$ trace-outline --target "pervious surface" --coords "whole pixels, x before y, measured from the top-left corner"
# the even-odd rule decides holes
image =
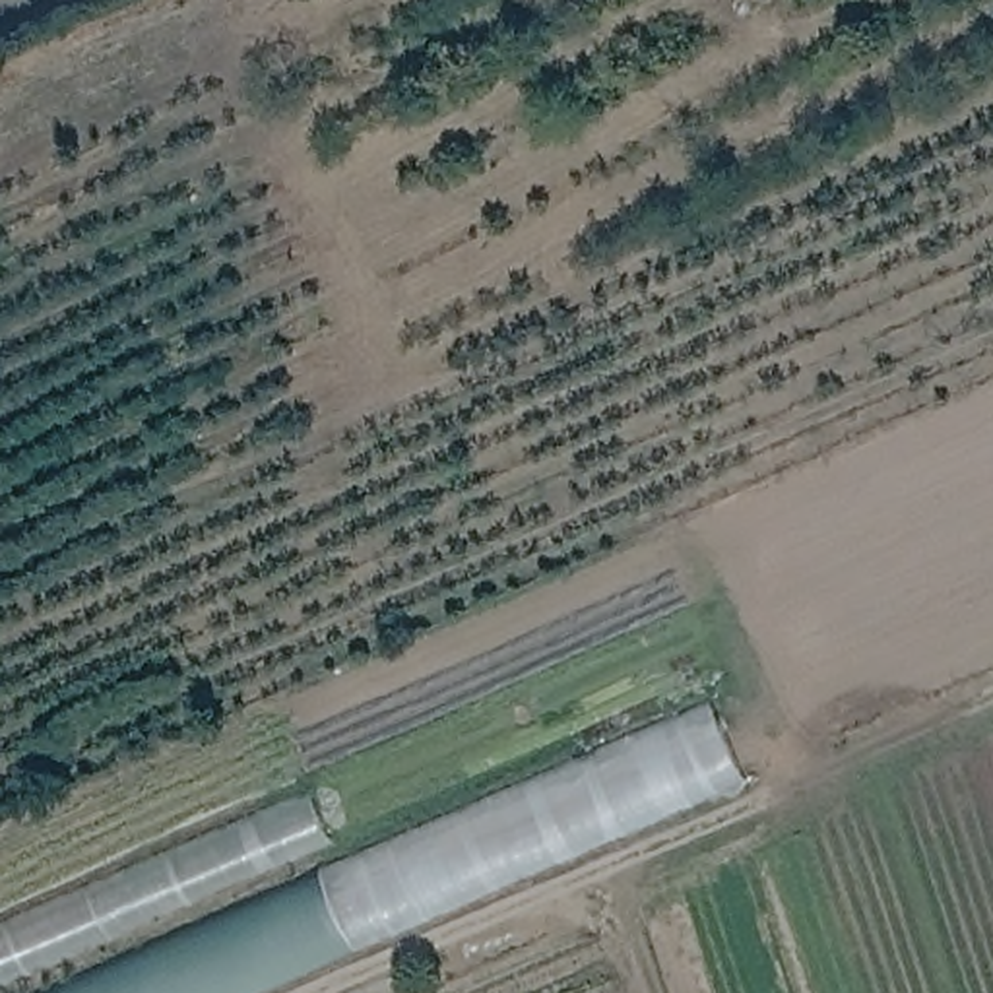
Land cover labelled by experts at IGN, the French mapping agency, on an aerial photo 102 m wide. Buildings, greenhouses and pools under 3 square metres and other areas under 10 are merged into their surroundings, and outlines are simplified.
[[[939,687],[912,687],[912,706],[896,706],[861,729],[838,729],[834,753],[803,753],[803,718],[784,710],[776,690],[760,679],[760,694],[749,706],[749,718],[737,725],[741,756],[760,764],[760,772],[741,776],[741,787],[729,787],[725,795],[702,799],[632,834],[609,838],[570,861],[516,877],[497,892],[431,915],[403,939],[380,939],[349,950],[334,962],[337,970],[291,993],[396,993],[392,962],[407,966],[415,958],[442,958],[450,946],[473,958],[516,943],[512,935],[477,935],[504,919],[562,915],[578,927],[590,912],[586,888],[617,873],[632,873],[652,857],[663,857],[687,842],[753,818],[768,807],[784,807],[791,799],[791,787],[842,780],[857,768],[869,768],[908,749],[912,741],[935,729],[954,729],[966,718],[993,710],[993,663],[954,675]]]

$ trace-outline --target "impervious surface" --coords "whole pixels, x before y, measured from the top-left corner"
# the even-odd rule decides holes
[[[23,23],[50,16],[58,4],[78,0],[0,0],[0,39]]]

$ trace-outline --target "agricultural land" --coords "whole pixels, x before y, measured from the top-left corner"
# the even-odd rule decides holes
[[[233,900],[206,884],[186,896],[194,908],[182,908],[167,896],[163,884],[155,884],[163,904],[155,912],[120,919],[109,931],[116,943],[101,943],[97,935],[66,943],[66,962],[16,977],[16,985],[0,989],[0,993],[35,993],[74,977],[93,962],[112,958],[124,946],[190,923],[206,912],[217,912]]]
[[[741,776],[760,772],[760,764],[741,756],[737,725],[749,718],[749,706],[760,694],[760,679],[776,690],[784,710],[803,718],[803,753],[834,753],[838,729],[861,729],[896,706],[912,706],[912,687],[939,687],[954,675],[993,663],[993,384],[962,400],[946,400],[935,411],[904,419],[888,431],[877,431],[865,442],[834,450],[830,458],[791,469],[768,485],[733,493],[687,524],[659,524],[644,543],[609,551],[601,562],[582,562],[578,570],[555,574],[551,582],[520,590],[508,601],[489,601],[481,613],[462,613],[446,628],[431,628],[419,632],[415,644],[392,659],[361,659],[349,667],[334,667],[330,679],[318,687],[299,687],[291,694],[252,702],[240,714],[225,718],[209,745],[163,741],[147,756],[132,756],[112,772],[74,784],[70,795],[54,803],[47,818],[16,815],[0,822],[0,943],[8,939],[12,923],[31,919],[35,912],[58,900],[93,892],[182,846],[244,826],[279,803],[306,799],[314,791],[322,795],[334,834],[326,838],[326,849],[314,853],[310,869],[318,877],[411,830],[462,815],[500,791],[524,787],[578,760],[593,760],[617,741],[640,737],[656,725],[671,725],[694,710],[710,710],[721,745]]]
[[[652,857],[632,873],[617,873],[586,888],[590,912],[578,927],[562,915],[504,919],[477,935],[512,935],[516,943],[473,958],[450,946],[442,958],[434,993],[993,993],[993,710],[966,718],[954,729],[935,729],[912,741],[908,749],[869,768],[857,768],[842,780],[791,787],[791,799],[784,807],[768,807],[753,818],[687,842],[663,857]]]

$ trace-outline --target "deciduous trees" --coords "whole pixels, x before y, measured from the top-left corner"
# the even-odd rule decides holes
[[[322,578],[345,574],[349,562],[334,559],[287,578],[283,586],[268,590],[268,597],[287,601]]]
[[[671,353],[644,357],[640,365],[605,376],[601,384],[578,388],[566,400],[555,400],[539,411],[528,411],[520,419],[520,431],[578,411],[597,396],[613,396],[644,380],[648,372],[694,361],[714,345],[729,345],[772,322],[772,314],[764,310],[737,318],[721,330],[710,330]]]
[[[613,345],[605,341],[547,372],[535,372],[531,380],[504,384],[500,400],[512,403],[547,392],[574,372],[609,361]]]
[[[368,582],[349,586],[345,593],[334,593],[330,601],[310,601],[303,617],[345,609],[372,590],[400,582],[400,566],[392,566],[372,574]]]
[[[260,314],[272,310],[272,299],[264,295],[240,306],[240,314],[233,318],[209,318],[190,326],[186,345],[244,334]]]
[[[244,450],[256,450],[272,438],[299,438],[310,427],[310,403],[299,400],[260,415],[240,442],[229,442],[229,458],[240,458]]]
[[[427,35],[493,19],[500,8],[497,0],[384,0],[392,8],[392,19],[384,23],[388,43],[372,47],[372,58],[384,70],[392,70],[392,58],[419,47]]]
[[[23,23],[0,39],[0,66],[35,43],[70,35],[78,23],[93,19],[105,8],[101,0],[78,0],[58,4],[50,16]]]
[[[861,244],[877,248],[923,225],[919,213],[904,213],[888,225],[861,233]]]
[[[39,365],[0,376],[0,396],[74,365],[78,357],[89,357],[89,345],[78,341]]]
[[[50,248],[78,240],[97,225],[132,221],[144,209],[186,198],[186,182],[171,182],[136,194],[136,202],[128,206],[89,209],[74,221],[62,221],[43,240],[23,244],[19,260],[47,256]]]
[[[147,275],[116,283],[89,303],[70,306],[54,322],[43,322],[19,337],[0,341],[0,361],[58,337],[62,330],[116,306],[128,295],[140,295],[178,275],[178,264],[159,264]]]
[[[531,310],[512,322],[497,322],[489,334],[458,337],[446,349],[446,365],[462,368],[481,361],[485,349],[497,349],[500,341],[528,341],[528,330],[543,326],[543,314]]]
[[[89,175],[85,190],[120,182],[132,167],[155,163],[155,147],[132,147],[116,155],[112,167]]]
[[[47,818],[54,803],[70,795],[74,784],[112,772],[132,756],[147,756],[163,741],[209,745],[225,718],[221,698],[209,690],[209,679],[198,675],[198,667],[209,667],[221,656],[279,636],[283,621],[260,625],[252,632],[240,632],[182,659],[171,656],[171,648],[186,644],[182,628],[140,648],[105,656],[97,663],[85,663],[81,671],[70,671],[58,683],[19,694],[12,706],[0,706],[0,756],[8,756],[8,764],[19,768],[23,780],[31,780],[23,799],[0,807],[0,822],[16,815]]]
[[[493,528],[450,535],[450,551],[462,555],[477,543],[500,539],[504,531],[547,520],[551,504],[531,504],[512,508],[508,520]]]
[[[287,450],[248,469],[240,477],[244,489],[295,473],[295,454]]]
[[[272,209],[256,225],[237,225],[233,233],[225,233],[221,248],[240,248],[256,237],[275,233],[279,213]]]
[[[423,590],[384,601],[372,617],[376,632],[365,640],[349,640],[349,652],[361,659],[392,659],[415,644],[419,632],[431,628],[427,617],[407,613],[419,601],[454,590],[454,578],[438,578]]]
[[[66,636],[78,625],[97,621],[101,613],[116,613],[136,601],[136,593],[112,593],[66,621],[39,625],[19,640],[0,644],[0,659],[27,652],[47,636]]]
[[[109,438],[85,454],[62,458],[58,465],[35,469],[27,481],[0,493],[0,508],[16,504],[19,497],[31,497],[47,481],[74,477],[78,469],[97,465],[112,454],[132,454],[140,442],[136,434]]]
[[[497,81],[524,85],[547,62],[555,62],[551,43],[593,27],[609,0],[551,0],[543,16],[528,27],[504,31],[493,43],[473,47],[469,62],[403,78],[400,93],[384,97],[365,116],[334,124],[326,136],[310,128],[310,147],[326,167],[337,163],[361,132],[384,124],[423,124],[446,109],[469,105]]]
[[[229,190],[225,198],[178,213],[167,229],[151,229],[151,240],[171,244],[190,225],[209,225],[225,217],[229,209],[237,209],[237,194]]]
[[[512,272],[504,291],[477,291],[477,303],[485,310],[516,303],[531,291],[528,272]]]
[[[384,528],[403,512],[427,504],[434,508],[442,500],[442,489],[419,489],[380,512],[368,512],[337,531],[318,535],[318,547],[345,547],[357,535]]]
[[[721,477],[725,469],[749,462],[749,446],[741,446],[733,454],[687,465],[683,473],[663,477],[659,485],[648,485],[625,500],[593,508],[582,520],[562,524],[562,531],[551,539],[562,543],[601,520],[663,504],[683,489],[694,489],[698,481]]]
[[[745,248],[760,229],[772,225],[772,209],[753,209],[745,221],[733,221],[729,209],[741,198],[787,186],[803,178],[811,167],[838,159],[838,147],[861,147],[869,140],[888,136],[896,116],[939,116],[954,109],[966,93],[977,93],[985,81],[993,81],[993,35],[970,47],[950,66],[915,70],[904,89],[877,101],[865,116],[842,124],[834,140],[807,136],[787,155],[764,159],[760,178],[745,178],[741,171],[698,171],[694,159],[710,151],[718,140],[725,140],[721,120],[753,112],[760,101],[776,101],[784,85],[795,85],[803,101],[842,101],[861,85],[861,78],[884,78],[908,47],[946,43],[950,35],[970,31],[974,19],[993,16],[993,0],[830,0],[834,23],[822,27],[811,43],[787,43],[780,54],[729,78],[714,101],[698,109],[683,105],[675,112],[690,159],[687,178],[652,182],[636,202],[578,233],[570,248],[574,264],[613,264],[617,256],[667,237],[679,252],[679,272],[702,268],[725,248]]]
[[[0,314],[16,318],[23,310],[35,310],[54,299],[50,287],[66,287],[89,275],[85,268],[70,264],[58,272],[43,272],[16,295],[0,295]]]
[[[822,182],[815,194],[803,198],[807,209],[822,213],[842,206],[873,175],[912,171],[919,159],[935,155],[927,140],[915,140],[904,144],[896,159],[869,159],[865,167],[846,171],[842,182]]]
[[[209,454],[190,442],[155,454],[140,469],[116,469],[85,485],[70,500],[47,504],[35,516],[23,516],[19,524],[0,528],[0,625],[19,621],[23,601],[35,601],[35,609],[50,609],[81,590],[101,586],[105,578],[136,570],[155,555],[186,547],[190,539],[206,539],[264,508],[279,508],[291,500],[291,489],[221,508],[198,524],[182,524],[171,535],[163,535],[155,520],[175,512],[171,481],[182,481],[194,469],[209,465]]]
[[[419,458],[396,469],[392,477],[368,481],[361,489],[345,489],[299,516],[252,531],[248,539],[233,539],[209,555],[194,555],[171,570],[159,570],[140,586],[147,593],[159,593],[171,582],[225,566],[240,551],[256,551],[349,504],[407,485],[458,458],[469,458],[469,438],[458,438],[434,458]]]
[[[190,291],[155,303],[140,318],[128,318],[128,330],[151,330],[213,295],[225,295],[233,283],[240,283],[240,272],[225,264]]]
[[[314,85],[337,81],[337,62],[330,54],[314,54],[279,74],[268,62],[244,58],[244,97],[256,105],[260,116],[279,120],[283,112],[295,112],[303,105],[303,97]]]
[[[787,260],[784,268],[764,272],[749,283],[721,287],[721,295],[729,306],[737,306],[807,272],[834,268],[842,264],[842,252],[834,248],[811,252],[807,260]]]
[[[442,140],[427,155],[400,159],[400,186],[442,190],[481,171],[489,132],[477,128],[442,132]]]
[[[109,632],[85,636],[74,648],[47,652],[35,663],[0,675],[0,690],[81,652],[93,652],[97,644],[124,640],[144,625],[171,621],[175,613],[206,605],[229,590],[244,590],[287,562],[299,562],[299,551],[272,555],[237,578],[213,582],[198,593],[178,593],[167,605],[151,605]]]
[[[966,144],[977,167],[993,163],[993,105],[981,109],[974,120],[939,132],[946,151]]]
[[[578,140],[593,116],[621,105],[628,93],[640,93],[671,66],[690,62],[702,47],[721,43],[721,27],[698,23],[694,16],[652,16],[621,23],[605,47],[593,47],[586,54],[590,74],[555,85],[543,97],[524,93],[520,112],[535,147]]]
[[[93,388],[105,376],[116,376],[136,361],[159,357],[163,345],[151,341],[124,349],[109,365],[89,368],[78,380],[50,388],[31,403],[0,415],[0,431]]]
[[[881,275],[888,275],[900,264],[939,256],[954,240],[993,225],[993,213],[981,213],[966,225],[946,225],[915,248],[892,252],[877,264]]]
[[[291,376],[287,368],[272,368],[244,384],[244,392],[237,396],[217,396],[206,407],[182,407],[186,392],[221,384],[229,376],[229,357],[209,357],[202,365],[175,368],[151,384],[124,388],[112,400],[74,415],[70,423],[47,427],[27,442],[0,450],[0,465],[19,462],[58,438],[78,438],[93,423],[120,415],[136,400],[159,400],[163,407],[147,415],[147,431],[163,431],[175,419],[206,427],[260,400],[264,388],[287,388]]]
[[[570,485],[570,497],[597,497],[601,489],[632,481],[663,465],[667,458],[679,458],[683,442],[675,438],[632,458],[628,469],[601,473],[590,485]]]
[[[725,365],[659,384],[644,400],[609,407],[605,415],[539,438],[535,446],[528,446],[528,458],[535,462],[543,454],[570,446],[582,434],[644,415],[702,384],[718,384],[729,372],[741,372],[745,365],[764,361],[768,353],[815,341],[815,326],[803,326]]]
[[[415,958],[407,966],[392,962],[396,993],[434,993],[442,958]]]
[[[419,345],[438,337],[450,322],[462,322],[465,306],[450,303],[431,318],[407,322],[400,341]]]

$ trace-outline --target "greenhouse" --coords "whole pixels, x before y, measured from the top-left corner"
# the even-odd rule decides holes
[[[593,760],[578,760],[524,787],[500,791],[462,815],[411,830],[318,877],[326,919],[349,950],[380,939],[403,939],[431,915],[497,892],[516,877],[570,861],[609,838],[632,834],[702,799],[725,795],[729,787],[741,787],[741,776],[721,745],[710,710],[694,710],[671,725],[656,725],[640,737],[617,741]]]
[[[244,826],[182,846],[93,892],[58,900],[35,912],[31,919],[12,923],[8,939],[0,943],[0,989],[16,985],[16,977],[66,962],[66,943],[97,935],[101,943],[116,943],[109,931],[120,919],[155,912],[163,904],[155,884],[163,884],[167,896],[182,908],[194,908],[186,896],[206,884],[233,900],[244,900],[260,888],[272,888],[310,869],[314,853],[326,849],[326,838],[334,834],[322,795],[314,791],[306,799],[279,803]]]

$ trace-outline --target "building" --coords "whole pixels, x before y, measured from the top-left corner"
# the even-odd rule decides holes
[[[206,912],[190,923],[124,946],[112,958],[93,962],[74,977],[35,993],[291,993],[337,970],[334,962],[349,950],[326,919],[318,877],[310,869],[272,888],[260,888],[244,900],[233,900],[217,912]]]

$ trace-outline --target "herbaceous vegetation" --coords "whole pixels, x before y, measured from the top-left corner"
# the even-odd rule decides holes
[[[977,93],[966,93],[954,109],[939,116],[896,116],[888,136],[869,140],[861,147],[838,147],[838,159],[811,167],[803,178],[787,186],[741,198],[729,209],[733,221],[745,221],[753,209],[772,209],[772,225],[760,229],[745,248],[725,248],[702,268],[679,272],[679,252],[667,237],[617,256],[613,264],[574,264],[570,248],[578,233],[636,202],[652,182],[687,178],[690,159],[675,112],[683,105],[698,109],[714,101],[729,78],[780,54],[787,43],[811,43],[822,27],[834,23],[830,0],[609,0],[593,27],[551,43],[555,62],[547,62],[524,85],[497,81],[469,105],[446,109],[423,124],[384,124],[361,132],[337,163],[326,167],[310,147],[310,128],[326,136],[334,124],[365,116],[384,97],[400,93],[403,78],[469,62],[473,47],[493,43],[504,31],[528,27],[543,16],[551,0],[497,0],[500,8],[493,19],[427,35],[419,47],[392,58],[392,70],[384,70],[372,58],[372,47],[388,43],[384,23],[392,19],[392,8],[384,0],[101,0],[105,8],[93,19],[78,23],[70,35],[35,43],[0,66],[0,295],[16,295],[43,272],[58,272],[70,264],[85,268],[89,275],[66,287],[50,287],[54,299],[35,310],[23,310],[16,318],[0,314],[0,341],[19,337],[43,322],[54,322],[70,306],[89,303],[116,283],[147,275],[159,264],[178,264],[178,275],[140,295],[128,295],[116,306],[62,330],[58,337],[0,361],[0,376],[39,365],[78,341],[89,345],[89,357],[78,357],[74,365],[0,396],[0,415],[31,403],[50,388],[78,380],[89,368],[109,365],[124,349],[151,341],[163,345],[159,357],[136,361],[116,376],[105,376],[93,388],[0,431],[0,450],[27,442],[47,427],[70,423],[74,415],[112,400],[124,388],[151,384],[175,368],[202,365],[209,357],[229,357],[229,376],[221,384],[186,392],[182,407],[206,407],[217,396],[237,396],[244,392],[244,384],[272,368],[287,368],[291,376],[287,388],[264,388],[260,400],[206,427],[175,419],[163,431],[147,431],[147,415],[163,407],[159,400],[136,400],[120,415],[93,423],[78,438],[58,438],[19,462],[0,465],[0,493],[27,481],[35,469],[58,465],[62,458],[85,454],[109,438],[136,434],[140,442],[132,454],[112,454],[97,465],[78,469],[74,477],[47,481],[31,497],[19,497],[16,504],[0,508],[0,528],[19,524],[23,516],[35,516],[47,504],[70,500],[85,485],[116,469],[140,469],[155,454],[190,442],[209,454],[209,465],[194,469],[182,481],[171,481],[175,512],[155,520],[163,535],[171,535],[182,524],[198,524],[221,508],[291,489],[291,500],[279,508],[264,508],[206,539],[190,539],[186,547],[155,555],[136,570],[105,578],[101,586],[81,590],[50,609],[35,609],[35,601],[23,601],[19,621],[0,625],[0,644],[19,640],[39,625],[66,621],[112,593],[136,593],[136,601],[116,613],[101,613],[97,621],[78,625],[66,636],[47,636],[27,652],[0,659],[0,675],[35,663],[47,652],[74,648],[85,636],[109,632],[151,605],[167,605],[178,593],[198,593],[213,582],[237,578],[272,555],[299,551],[299,562],[287,562],[244,590],[229,590],[206,605],[175,613],[171,621],[144,625],[124,640],[97,644],[93,652],[81,652],[0,690],[0,706],[12,706],[19,694],[58,683],[70,671],[81,671],[85,663],[97,663],[105,656],[140,648],[182,628],[186,644],[171,648],[171,656],[182,659],[240,632],[252,632],[260,625],[283,621],[279,636],[221,656],[209,667],[198,667],[198,675],[209,679],[209,690],[221,698],[225,718],[240,714],[252,702],[291,694],[299,687],[318,687],[330,679],[334,667],[349,667],[361,659],[349,652],[349,640],[365,640],[376,632],[372,617],[384,601],[423,590],[438,578],[454,578],[454,590],[419,601],[407,613],[427,617],[431,628],[446,628],[462,613],[481,613],[489,601],[508,601],[520,590],[551,582],[555,574],[578,570],[582,562],[601,562],[609,551],[644,543],[659,524],[687,524],[733,493],[768,485],[791,469],[830,458],[834,450],[865,442],[877,431],[888,431],[904,419],[935,411],[946,400],[962,400],[993,384],[993,225],[954,240],[939,256],[900,264],[888,275],[881,275],[877,264],[892,252],[915,248],[946,225],[966,225],[981,213],[993,213],[993,163],[977,167],[966,144],[946,151],[939,132],[974,120],[981,109],[993,105],[993,81],[985,81]],[[555,85],[590,74],[586,54],[593,47],[605,47],[621,23],[652,16],[694,16],[698,23],[721,27],[721,43],[702,47],[690,62],[671,66],[640,93],[628,93],[621,105],[593,116],[578,140],[535,147],[520,112],[524,93],[543,97]],[[330,54],[337,62],[337,81],[314,85],[303,97],[303,105],[295,112],[283,112],[279,120],[260,116],[256,105],[244,97],[244,58],[268,62],[279,74],[314,54]],[[489,132],[481,171],[442,190],[400,186],[400,159],[427,155],[442,140],[442,132],[477,128]],[[904,144],[915,140],[927,140],[935,155],[919,159],[912,171],[873,175],[842,206],[822,213],[807,209],[803,198],[815,194],[822,182],[842,182],[846,171],[865,167],[869,159],[896,159]],[[116,155],[132,147],[155,147],[155,163],[132,167],[120,182],[85,190],[89,175],[112,167]],[[19,260],[23,244],[43,240],[62,221],[74,221],[89,209],[128,206],[136,202],[136,194],[171,182],[186,182],[186,198],[144,209],[132,221],[97,225],[78,240],[50,248],[47,256]],[[237,194],[237,209],[229,209],[225,217],[209,225],[190,225],[171,244],[151,240],[151,229],[167,229],[178,213],[225,198],[229,190]],[[225,233],[233,233],[237,225],[256,225],[272,209],[279,213],[275,233],[256,237],[240,248],[221,248]],[[919,213],[923,225],[877,248],[861,244],[861,233],[888,225],[904,213]],[[787,260],[807,260],[811,252],[834,248],[842,252],[842,264],[834,268],[807,272],[737,306],[729,306],[721,295],[721,287],[749,283],[764,272],[784,268]],[[151,330],[128,330],[128,318],[140,318],[155,303],[190,291],[225,264],[240,272],[240,283],[233,283],[225,295],[213,295]],[[504,291],[512,272],[528,272],[531,291],[516,303],[485,310],[477,303],[477,291]],[[260,314],[244,334],[186,345],[190,326],[209,318],[233,318],[240,314],[240,306],[264,295],[272,299],[272,310]],[[400,341],[407,322],[431,318],[450,303],[465,306],[462,322],[450,322],[438,337],[419,345]],[[500,341],[497,349],[485,349],[481,361],[462,368],[446,365],[446,349],[458,337],[489,334],[497,322],[512,322],[531,310],[543,314],[543,326],[528,330],[528,341]],[[772,322],[729,345],[714,345],[694,361],[648,372],[644,380],[613,396],[597,396],[578,411],[520,431],[520,419],[528,411],[539,411],[555,400],[566,400],[578,388],[601,384],[605,376],[640,365],[644,357],[671,353],[710,330],[721,330],[737,318],[764,310],[772,314]],[[718,384],[702,384],[644,415],[582,434],[570,446],[543,454],[535,462],[528,458],[528,446],[535,446],[539,438],[605,415],[609,407],[644,400],[659,384],[725,365],[803,326],[815,326],[815,341],[768,353],[764,361],[745,365],[741,372],[729,372]],[[574,372],[547,392],[512,403],[500,400],[504,384],[531,380],[535,372],[547,372],[605,341],[613,345],[609,361]],[[299,438],[272,438],[256,450],[244,450],[240,458],[229,458],[229,442],[240,442],[260,415],[299,400],[310,403],[310,427]],[[252,531],[299,516],[345,489],[361,489],[368,481],[392,477],[396,469],[419,458],[434,458],[458,438],[469,438],[469,458],[458,458],[407,485],[349,504],[256,551],[240,551],[225,566],[171,582],[159,593],[147,593],[140,586],[159,570],[171,570],[194,555],[209,555],[233,539],[248,539]],[[628,469],[632,458],[675,438],[683,442],[679,458],[667,458],[663,465],[632,481],[601,489],[597,497],[570,497],[570,485],[590,485],[601,473]],[[741,446],[749,446],[749,462],[725,469],[721,477],[698,481],[694,489],[683,489],[663,504],[601,520],[562,543],[551,539],[562,531],[562,524],[582,520],[593,508],[625,500],[648,485],[659,485],[663,477],[683,473],[687,465],[733,454]],[[295,473],[244,489],[240,477],[248,469],[287,450],[295,454]],[[427,504],[403,512],[384,528],[357,535],[345,547],[318,547],[318,535],[337,531],[368,512],[380,512],[419,489],[442,489],[442,500],[434,508]],[[462,555],[450,551],[450,535],[493,528],[508,520],[512,508],[531,504],[551,504],[547,520],[504,531],[500,539],[477,543]],[[268,597],[268,590],[283,586],[287,578],[334,559],[349,562],[345,574],[322,578],[287,601]],[[368,582],[372,574],[392,566],[400,566],[400,582],[372,590],[345,609],[303,617],[310,601],[330,601],[334,593],[345,593],[349,586]]]
[[[23,780],[19,768],[8,764],[8,756],[0,756],[0,807],[23,799],[31,780]]]
[[[970,31],[950,35],[946,43],[908,47],[884,78],[861,78],[861,85],[842,101],[803,101],[795,85],[784,85],[776,101],[760,101],[753,112],[721,120],[725,140],[718,140],[710,151],[694,159],[698,171],[741,171],[745,178],[760,178],[764,159],[787,155],[807,136],[834,140],[842,124],[865,116],[877,101],[904,89],[915,70],[950,66],[970,47],[993,35],[993,16],[974,19]]]

